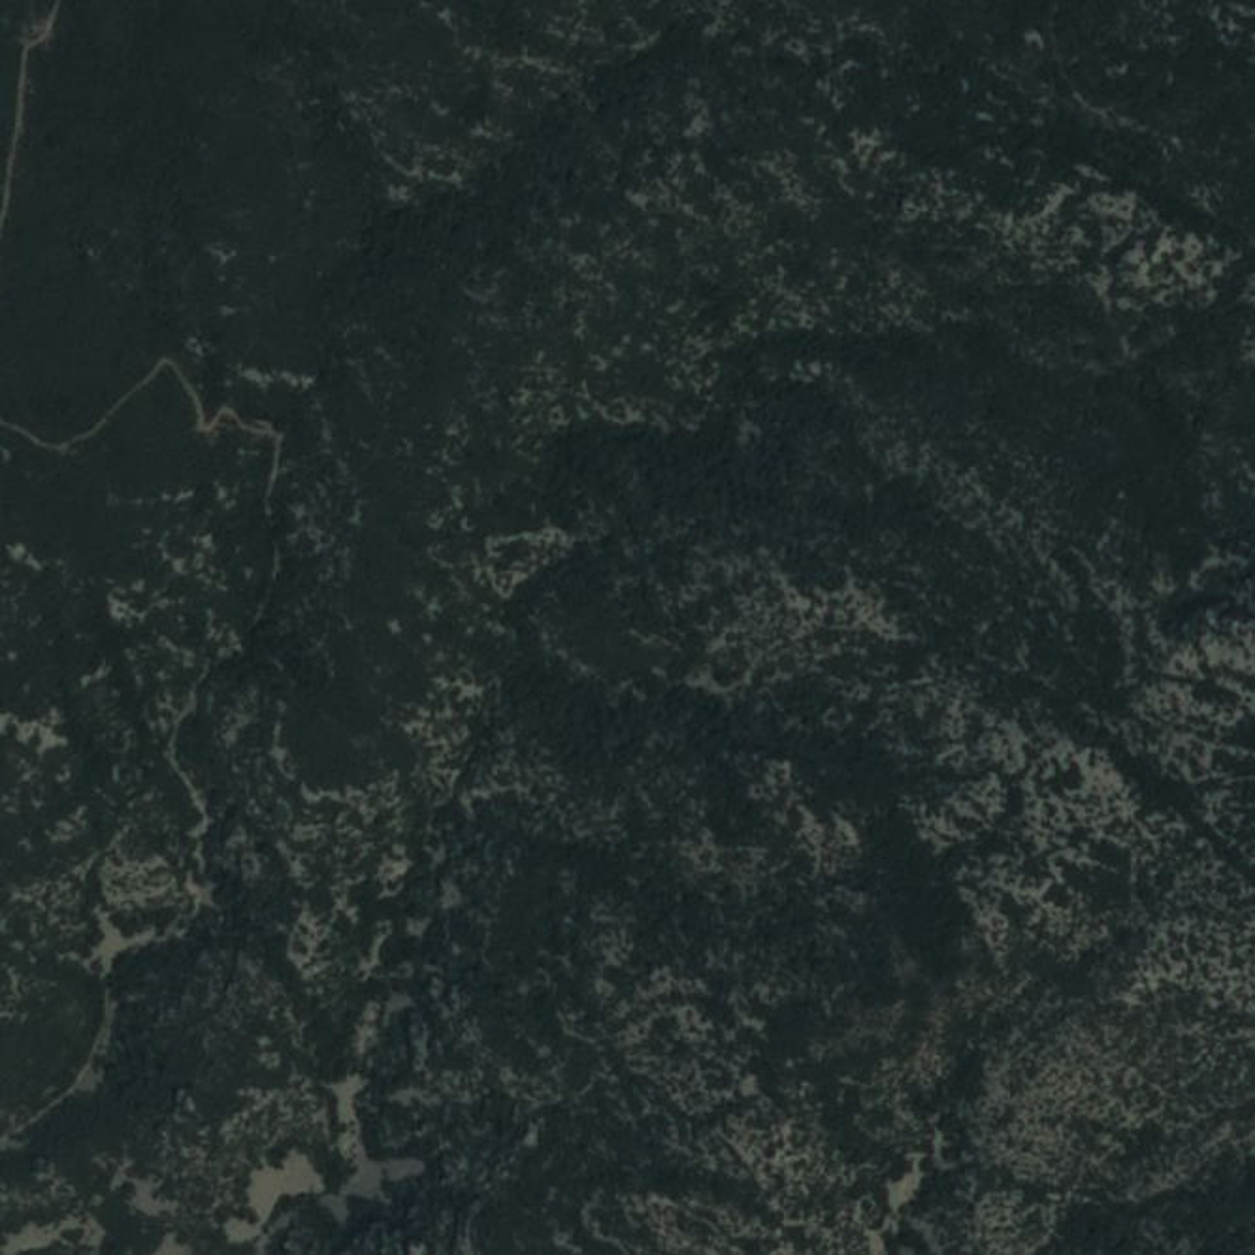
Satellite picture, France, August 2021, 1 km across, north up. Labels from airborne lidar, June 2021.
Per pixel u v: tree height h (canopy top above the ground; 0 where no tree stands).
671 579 6
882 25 0
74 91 0
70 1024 0
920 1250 7
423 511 0
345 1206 0
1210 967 0
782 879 6
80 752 6
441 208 7
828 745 7
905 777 7
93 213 0
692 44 8
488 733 9
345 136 5
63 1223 0
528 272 6
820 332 6
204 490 8
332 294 6
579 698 7
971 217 9
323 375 7
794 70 6
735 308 8
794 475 6
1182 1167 0
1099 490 6
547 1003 7
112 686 6
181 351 6
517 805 6
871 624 0
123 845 0
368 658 0
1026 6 6
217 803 6
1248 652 0
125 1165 0
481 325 0
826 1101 7
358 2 0
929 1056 0
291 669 7
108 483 0
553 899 7
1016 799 8
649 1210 0
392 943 8
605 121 6
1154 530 7
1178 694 0
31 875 0
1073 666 6
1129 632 0
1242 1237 6
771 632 0
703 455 6
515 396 6
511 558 7
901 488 8
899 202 5
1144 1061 0
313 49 8
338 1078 8
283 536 8
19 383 0
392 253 7
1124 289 6
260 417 6
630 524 6
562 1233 0
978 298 7
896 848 7
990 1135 0
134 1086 6
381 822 6
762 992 0
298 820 0
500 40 6
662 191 0
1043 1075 0
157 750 6
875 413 0
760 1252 6
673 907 7
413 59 0
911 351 5
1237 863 6
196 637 8
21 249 0
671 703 7
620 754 6
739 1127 0
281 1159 9
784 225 7
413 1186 6
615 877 8
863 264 6
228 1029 0
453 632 6
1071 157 6
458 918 5
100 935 8
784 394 7
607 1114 5
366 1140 7
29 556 0
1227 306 9
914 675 5
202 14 0
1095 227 6
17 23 0
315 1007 6
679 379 7
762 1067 5
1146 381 6
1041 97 0
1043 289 6
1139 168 6
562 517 6
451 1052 7
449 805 5
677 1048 6
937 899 7
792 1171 0
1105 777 0
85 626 6
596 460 6
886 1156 7
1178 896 0
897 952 0
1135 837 0
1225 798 0
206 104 0
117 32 0
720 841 6
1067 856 0
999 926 0
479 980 8
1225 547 9
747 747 8
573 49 5
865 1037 0
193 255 6
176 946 7
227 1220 7
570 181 6
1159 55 6
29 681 0
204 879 8
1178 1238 6
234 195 0
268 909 6
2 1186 0
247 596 6
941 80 6
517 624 7
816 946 7
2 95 0
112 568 6
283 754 0
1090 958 6
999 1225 0
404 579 0
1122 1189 0
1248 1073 0
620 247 0
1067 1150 0
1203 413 7
